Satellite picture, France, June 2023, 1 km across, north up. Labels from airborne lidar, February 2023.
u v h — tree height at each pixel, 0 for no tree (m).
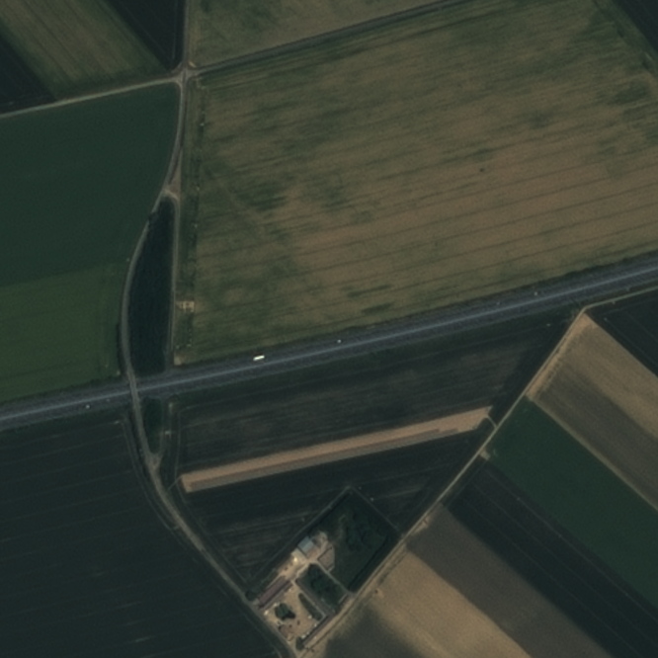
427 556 0
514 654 0
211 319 0
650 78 0
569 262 0
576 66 0
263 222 0
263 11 0
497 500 0
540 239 0
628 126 0
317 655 0
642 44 0
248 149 0
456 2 0
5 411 0
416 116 0
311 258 0
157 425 10
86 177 0
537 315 0
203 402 0
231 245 0
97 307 0
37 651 0
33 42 0
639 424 0
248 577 0
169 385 0
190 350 0
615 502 0
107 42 0
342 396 0
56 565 0
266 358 0
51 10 0
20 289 0
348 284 0
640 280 0
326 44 0
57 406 0
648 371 0
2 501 0
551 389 0
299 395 0
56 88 0
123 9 0
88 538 0
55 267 0
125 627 0
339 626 0
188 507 0
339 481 0
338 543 0
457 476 0
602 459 0
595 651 0
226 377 0
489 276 0
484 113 0
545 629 0
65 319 0
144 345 10
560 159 0
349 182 0
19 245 0
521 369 0
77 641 0
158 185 0
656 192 0
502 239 0
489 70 0
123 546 0
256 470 0
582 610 0
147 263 7
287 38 0
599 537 0
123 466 0
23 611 0
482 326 0
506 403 0
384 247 0
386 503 0
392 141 0
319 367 0
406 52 0
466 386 0
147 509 0
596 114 0
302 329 0
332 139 0
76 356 0
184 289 0
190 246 0
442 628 0
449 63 0
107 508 0
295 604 0
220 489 0
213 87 0
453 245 0
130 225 0
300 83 0
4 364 0
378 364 0
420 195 0
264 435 0
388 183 0
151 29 0
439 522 0
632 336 0
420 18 0
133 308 7
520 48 0
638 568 0
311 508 0
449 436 0
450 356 0
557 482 0
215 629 0
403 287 0
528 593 0
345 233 0
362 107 0
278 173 0
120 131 0
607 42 0
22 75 0
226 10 0
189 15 0
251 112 0
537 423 0
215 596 0
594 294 0
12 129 0
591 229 0
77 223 0
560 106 0
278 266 0
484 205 0
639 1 0
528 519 0
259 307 0
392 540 10
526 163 0
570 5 0
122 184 0
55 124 0
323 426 0
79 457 0
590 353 0
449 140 0
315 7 0
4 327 0
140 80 0
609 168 0
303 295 0
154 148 0
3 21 0
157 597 0
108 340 0
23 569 0
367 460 0
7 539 0
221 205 0
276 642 0
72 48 0
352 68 0
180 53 0
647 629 0
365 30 0
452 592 0
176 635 0
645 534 0
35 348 0
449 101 0
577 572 0
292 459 0
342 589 9
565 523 0
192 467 0
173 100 0
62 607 0
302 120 0
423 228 0
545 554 0
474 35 0
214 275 0
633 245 0
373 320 0
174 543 0
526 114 0
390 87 0
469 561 0
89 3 0
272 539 0
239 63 0
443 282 0
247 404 0
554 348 0
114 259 0
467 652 0
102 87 0
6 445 0
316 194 0
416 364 0
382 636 0
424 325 0
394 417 0
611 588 0
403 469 0
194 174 0
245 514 0
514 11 0
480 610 0
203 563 0
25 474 0
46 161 0
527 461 0
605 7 0
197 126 0
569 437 0
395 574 0
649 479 0
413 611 0
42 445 0
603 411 0
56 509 0
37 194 0
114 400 0
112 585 0
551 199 0
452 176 0
